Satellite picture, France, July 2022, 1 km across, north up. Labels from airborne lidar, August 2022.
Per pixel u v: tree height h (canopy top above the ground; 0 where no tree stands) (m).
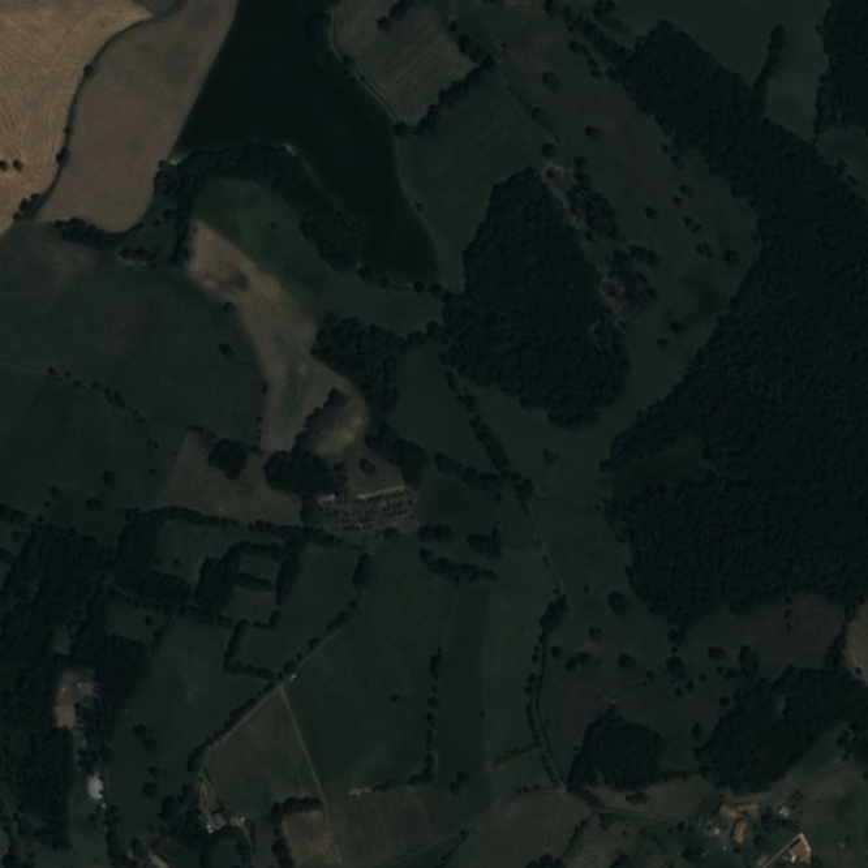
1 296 0
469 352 21
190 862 0
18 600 10
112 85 0
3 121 0
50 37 0
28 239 0
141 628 0
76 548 12
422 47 0
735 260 15
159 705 0
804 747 11
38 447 0
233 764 0
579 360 22
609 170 0
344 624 11
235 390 0
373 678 0
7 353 0
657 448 21
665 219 0
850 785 0
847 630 8
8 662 23
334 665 0
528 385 19
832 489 23
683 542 18
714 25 0
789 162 20
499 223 21
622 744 8
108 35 0
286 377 0
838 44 14
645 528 23
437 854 0
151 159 0
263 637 0
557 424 18
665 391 0
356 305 0
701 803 0
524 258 25
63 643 0
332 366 11
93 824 8
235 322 0
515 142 0
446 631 0
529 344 21
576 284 20
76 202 0
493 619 0
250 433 0
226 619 13
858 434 19
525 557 0
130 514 13
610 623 0
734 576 11
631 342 0
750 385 28
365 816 0
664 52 26
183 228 7
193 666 0
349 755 0
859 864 0
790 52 0
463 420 0
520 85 0
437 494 0
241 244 0
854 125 20
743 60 0
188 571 0
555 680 0
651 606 11
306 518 12
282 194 9
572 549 0
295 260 0
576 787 14
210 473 0
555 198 24
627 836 7
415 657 0
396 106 0
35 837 9
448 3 0
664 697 0
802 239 23
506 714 0
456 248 0
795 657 0
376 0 0
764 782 10
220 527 8
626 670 11
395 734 0
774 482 25
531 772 0
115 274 0
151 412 0
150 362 0
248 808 0
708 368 19
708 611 15
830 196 24
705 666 0
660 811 0
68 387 0
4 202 0
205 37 0
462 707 0
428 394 0
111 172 0
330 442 0
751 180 11
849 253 21
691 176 0
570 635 0
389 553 0
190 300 0
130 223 0
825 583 9
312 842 0
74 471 0
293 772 0
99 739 6
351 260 11
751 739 12
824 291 23
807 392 14
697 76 21
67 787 17
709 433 24
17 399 0
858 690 13
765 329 25
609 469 15
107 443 0
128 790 0
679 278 0
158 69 0
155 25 0
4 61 0
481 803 0
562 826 0
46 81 0
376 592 0
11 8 0
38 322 0
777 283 19
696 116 19
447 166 0
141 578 13
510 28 0
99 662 19
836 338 16
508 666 0
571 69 0
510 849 0
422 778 8
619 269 23
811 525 23
